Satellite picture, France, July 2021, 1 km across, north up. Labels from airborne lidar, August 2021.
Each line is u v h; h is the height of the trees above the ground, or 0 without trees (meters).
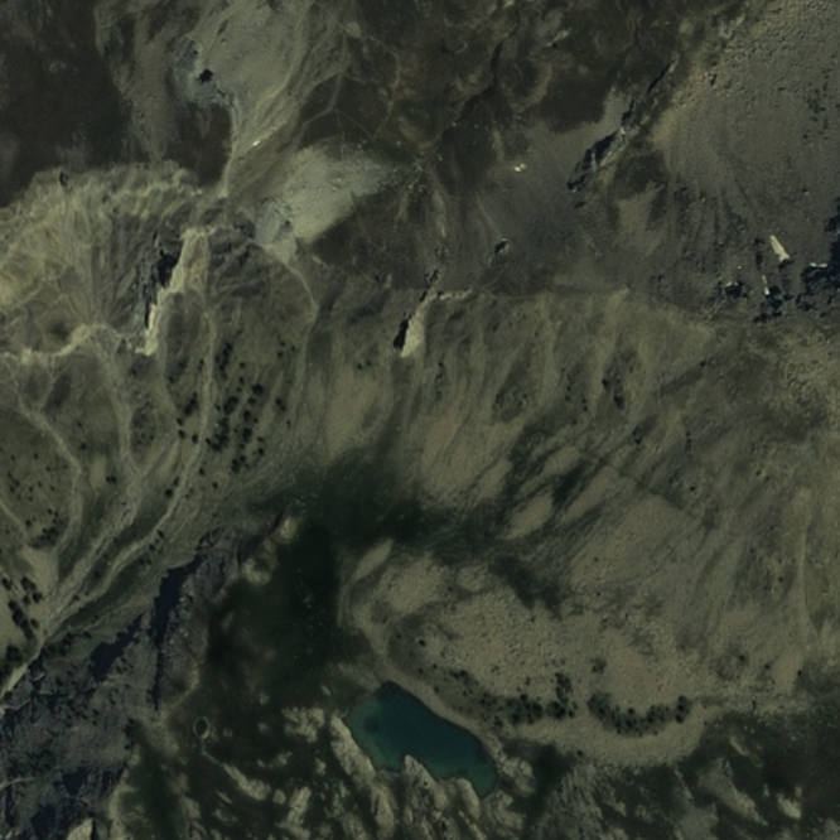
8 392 0
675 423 0
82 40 0
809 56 0
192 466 0
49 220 0
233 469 6
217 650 0
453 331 0
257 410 0
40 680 0
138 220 0
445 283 0
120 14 0
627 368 0
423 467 0
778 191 0
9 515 0
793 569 0
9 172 0
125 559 0
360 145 0
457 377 0
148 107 0
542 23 0
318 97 0
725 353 0
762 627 0
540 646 0
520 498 0
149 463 0
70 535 0
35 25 0
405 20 0
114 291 0
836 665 0
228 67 0
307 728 0
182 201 0
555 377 0
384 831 0
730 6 0
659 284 0
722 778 0
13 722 0
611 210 0
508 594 0
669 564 0
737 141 0
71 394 0
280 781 0
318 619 0
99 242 0
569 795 0
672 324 0
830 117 0
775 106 0
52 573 0
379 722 0
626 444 0
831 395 0
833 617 0
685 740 0
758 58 0
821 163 0
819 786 0
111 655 0
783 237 0
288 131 0
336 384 0
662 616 0
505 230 0
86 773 0
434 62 0
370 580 0
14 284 0
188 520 0
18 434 0
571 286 0
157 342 0
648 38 0
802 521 0
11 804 0
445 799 0
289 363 0
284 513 0
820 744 0
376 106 0
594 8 0
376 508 0
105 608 0
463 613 0
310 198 0
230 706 0
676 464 0
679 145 0
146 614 0
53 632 0
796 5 0
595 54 0
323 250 0
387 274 0
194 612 0
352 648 0
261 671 0
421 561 0
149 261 0
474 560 0
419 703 0
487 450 0
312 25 0
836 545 0
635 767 0
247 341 0
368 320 0
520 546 0
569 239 0
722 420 0
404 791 0
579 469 0
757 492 0
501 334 0
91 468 0
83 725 0
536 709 14
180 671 0
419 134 0
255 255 0
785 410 0
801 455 0
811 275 0
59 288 0
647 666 0
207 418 0
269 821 0
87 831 0
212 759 0
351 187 0
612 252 0
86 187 0
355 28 0
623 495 0
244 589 0
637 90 0
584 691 0
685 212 0
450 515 0
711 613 0
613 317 0
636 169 0
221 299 0
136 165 0
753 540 0
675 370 0
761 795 0
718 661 0
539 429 0
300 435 0
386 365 0
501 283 0
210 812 0
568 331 0
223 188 0
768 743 0
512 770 0
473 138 0
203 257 0
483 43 0
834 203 0
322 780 0
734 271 0
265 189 0
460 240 0
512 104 0
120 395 0
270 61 0
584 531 0
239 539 0
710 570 0
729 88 0
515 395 0
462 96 0
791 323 0
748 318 0
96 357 0
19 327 0
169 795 0
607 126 0
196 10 0
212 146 0
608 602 0
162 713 0
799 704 0
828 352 0
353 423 0
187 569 0
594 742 0
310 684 0
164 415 0
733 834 0
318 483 0
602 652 0
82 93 0
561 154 0
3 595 0
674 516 0
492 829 0
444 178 0
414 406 0
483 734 0
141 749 0
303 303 0
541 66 0
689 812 0
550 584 0
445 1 0
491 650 0
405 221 0
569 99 0
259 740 0
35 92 0
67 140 0
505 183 0
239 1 0
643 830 0
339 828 0
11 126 0
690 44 0
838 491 0
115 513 0
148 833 0
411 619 0
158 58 0
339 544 0
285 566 0
